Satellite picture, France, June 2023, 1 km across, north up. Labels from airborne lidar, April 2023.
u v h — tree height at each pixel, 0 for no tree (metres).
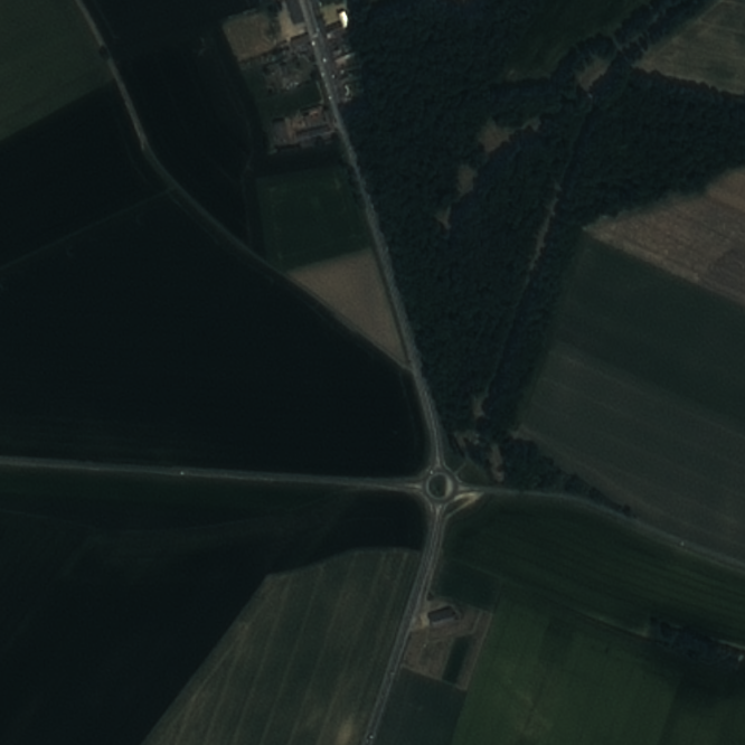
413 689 0
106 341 0
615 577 0
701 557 0
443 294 26
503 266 22
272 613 0
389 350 0
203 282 0
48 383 0
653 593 0
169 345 0
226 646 0
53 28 0
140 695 0
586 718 0
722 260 0
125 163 0
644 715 0
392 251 12
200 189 0
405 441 0
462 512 0
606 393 0
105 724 0
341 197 0
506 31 28
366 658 0
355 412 0
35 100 0
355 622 0
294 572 0
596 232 0
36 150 0
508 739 0
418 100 23
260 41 0
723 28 0
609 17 0
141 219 0
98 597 0
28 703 0
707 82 0
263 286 0
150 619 0
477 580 0
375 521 0
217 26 0
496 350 19
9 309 0
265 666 0
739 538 0
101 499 0
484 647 0
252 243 0
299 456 0
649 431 0
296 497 0
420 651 0
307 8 0
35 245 0
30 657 0
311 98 0
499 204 27
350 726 0
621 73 25
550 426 0
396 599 0
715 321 0
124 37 0
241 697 0
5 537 0
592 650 0
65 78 0
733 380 0
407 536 0
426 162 22
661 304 0
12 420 0
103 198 0
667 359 0
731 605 0
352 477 0
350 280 0
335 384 0
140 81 0
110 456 0
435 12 26
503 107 22
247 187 0
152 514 0
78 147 0
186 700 0
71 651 0
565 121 21
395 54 23
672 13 21
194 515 0
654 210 0
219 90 0
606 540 0
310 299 0
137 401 0
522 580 0
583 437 0
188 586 0
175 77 0
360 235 0
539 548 0
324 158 0
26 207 0
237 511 0
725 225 0
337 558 0
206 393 0
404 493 0
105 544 0
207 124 0
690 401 0
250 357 0
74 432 0
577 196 25
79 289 0
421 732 0
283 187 0
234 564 0
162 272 0
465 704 0
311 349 0
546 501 0
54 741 0
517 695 0
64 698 0
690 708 0
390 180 27
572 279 0
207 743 0
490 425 15
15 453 0
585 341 0
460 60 30
